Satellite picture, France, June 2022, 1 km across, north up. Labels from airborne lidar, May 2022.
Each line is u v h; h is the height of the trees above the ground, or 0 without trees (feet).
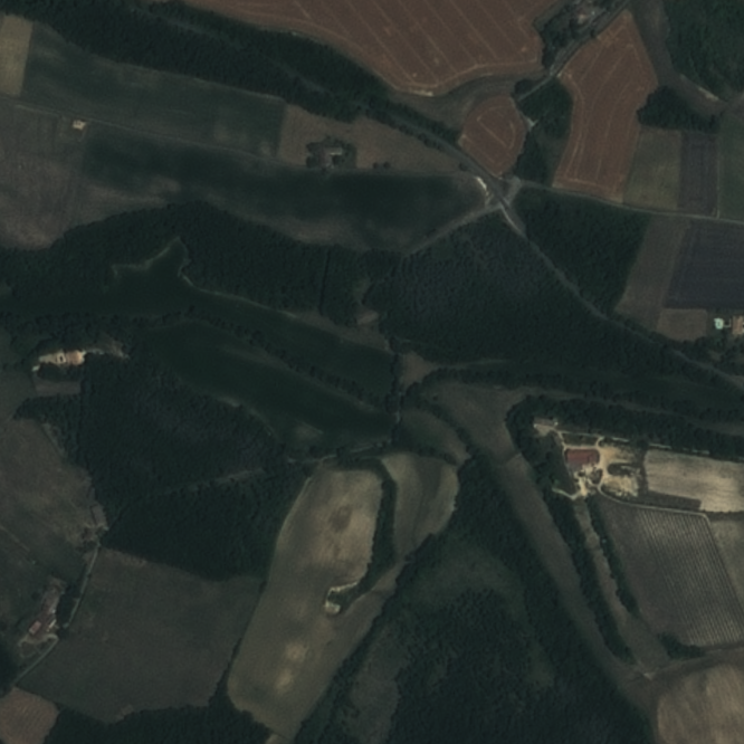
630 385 0
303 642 0
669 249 0
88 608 0
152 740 39
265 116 0
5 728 0
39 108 0
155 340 0
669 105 57
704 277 0
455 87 0
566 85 0
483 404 0
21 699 0
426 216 0
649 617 0
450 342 57
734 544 0
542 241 56
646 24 0
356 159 0
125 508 36
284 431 0
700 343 34
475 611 37
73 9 69
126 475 61
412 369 0
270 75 76
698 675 0
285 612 0
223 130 0
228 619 0
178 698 0
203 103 0
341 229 0
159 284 0
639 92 0
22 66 0
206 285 31
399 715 47
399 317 53
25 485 0
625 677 0
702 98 0
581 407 72
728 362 24
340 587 0
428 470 0
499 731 51
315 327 0
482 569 0
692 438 52
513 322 60
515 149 0
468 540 27
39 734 0
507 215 0
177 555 43
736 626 0
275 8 0
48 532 0
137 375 54
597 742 55
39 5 67
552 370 0
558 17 30
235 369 0
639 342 47
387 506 56
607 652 0
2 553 0
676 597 0
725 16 19
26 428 0
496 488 42
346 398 0
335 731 44
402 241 0
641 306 0
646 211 0
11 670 54
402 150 0
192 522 56
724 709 0
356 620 0
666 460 0
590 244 45
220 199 0
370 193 0
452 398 0
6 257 42
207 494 55
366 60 0
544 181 24
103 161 0
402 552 0
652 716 0
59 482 0
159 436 53
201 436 67
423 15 0
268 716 0
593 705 57
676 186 0
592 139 0
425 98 0
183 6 38
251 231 54
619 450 0
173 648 0
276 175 0
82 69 0
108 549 23
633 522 0
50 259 52
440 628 41
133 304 0
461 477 46
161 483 53
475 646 49
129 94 0
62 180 0
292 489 43
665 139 0
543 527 0
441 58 0
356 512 0
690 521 0
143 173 0
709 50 24
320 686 0
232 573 31
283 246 41
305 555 0
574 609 0
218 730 33
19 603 0
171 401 59
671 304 0
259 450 53
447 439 0
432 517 0
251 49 32
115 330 61
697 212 0
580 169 0
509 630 40
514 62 0
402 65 0
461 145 0
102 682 0
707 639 0
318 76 23
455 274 58
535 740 38
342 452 45
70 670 0
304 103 60
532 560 23
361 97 46
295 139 0
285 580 0
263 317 0
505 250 41
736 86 25
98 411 53
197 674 0
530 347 59
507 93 0
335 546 0
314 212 0
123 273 0
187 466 47
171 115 0
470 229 25
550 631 43
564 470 0
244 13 0
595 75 0
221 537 48
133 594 0
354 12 0
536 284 36
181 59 88
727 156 0
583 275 50
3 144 0
